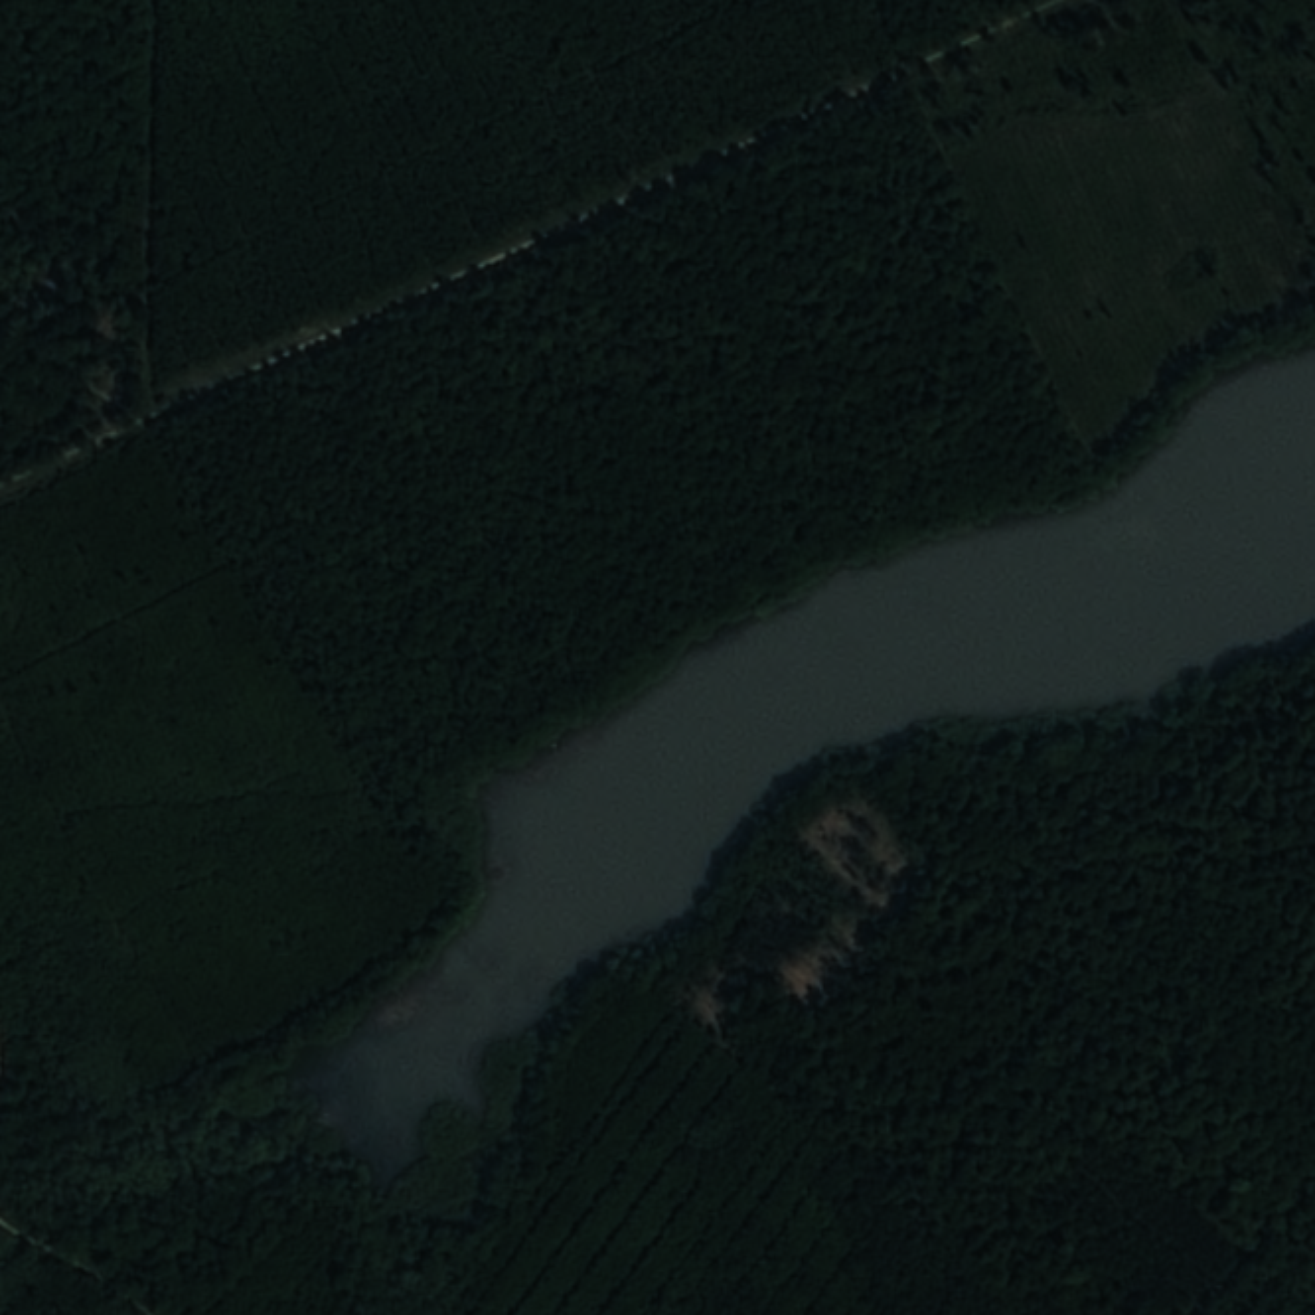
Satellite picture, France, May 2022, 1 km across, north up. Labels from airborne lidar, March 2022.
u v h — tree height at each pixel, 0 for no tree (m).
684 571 22
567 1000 10
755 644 0
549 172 11
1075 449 25
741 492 20
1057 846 28
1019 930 25
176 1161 27
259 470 22
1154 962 24
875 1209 19
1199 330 0
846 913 17
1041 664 0
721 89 0
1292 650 12
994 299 27
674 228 25
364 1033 0
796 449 27
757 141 0
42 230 27
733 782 0
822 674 0
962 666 0
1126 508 0
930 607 0
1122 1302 18
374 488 22
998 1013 16
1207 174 0
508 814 0
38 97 22
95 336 29
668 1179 0
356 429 26
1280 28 31
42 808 8
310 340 0
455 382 25
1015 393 25
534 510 25
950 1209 27
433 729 22
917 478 24
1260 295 0
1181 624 0
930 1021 17
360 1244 19
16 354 27
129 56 25
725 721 0
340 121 13
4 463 20
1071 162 0
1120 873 26
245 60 12
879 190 0
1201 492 0
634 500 24
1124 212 0
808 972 0
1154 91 0
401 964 12
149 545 6
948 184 28
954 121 0
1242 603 0
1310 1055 21
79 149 24
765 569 23
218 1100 18
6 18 26
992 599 0
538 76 11
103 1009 8
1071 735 23
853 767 21
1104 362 0
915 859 0
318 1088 0
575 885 0
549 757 0
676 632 15
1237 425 0
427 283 0
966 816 22
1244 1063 25
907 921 27
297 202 12
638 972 21
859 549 15
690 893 0
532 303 24
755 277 25
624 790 0
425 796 16
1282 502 0
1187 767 28
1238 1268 22
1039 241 0
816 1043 24
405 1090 0
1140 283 0
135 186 22
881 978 24
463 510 22
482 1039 0
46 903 8
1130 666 0
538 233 0
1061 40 27
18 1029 8
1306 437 0
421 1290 20
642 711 0
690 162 0
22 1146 19
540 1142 24
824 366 27
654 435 25
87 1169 22
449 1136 6
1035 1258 24
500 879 0
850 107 20
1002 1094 28
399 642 26
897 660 0
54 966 8
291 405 22
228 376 0
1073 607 0
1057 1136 27
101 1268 22
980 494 22
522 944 0
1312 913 27
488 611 23
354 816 6
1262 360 0
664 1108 0
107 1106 16
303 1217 19
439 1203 7
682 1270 0
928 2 23
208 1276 26
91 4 23
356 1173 6
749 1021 23
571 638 25
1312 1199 24
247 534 22
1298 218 0
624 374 24
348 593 24
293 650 20
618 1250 0
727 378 24
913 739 15
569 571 26
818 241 25
